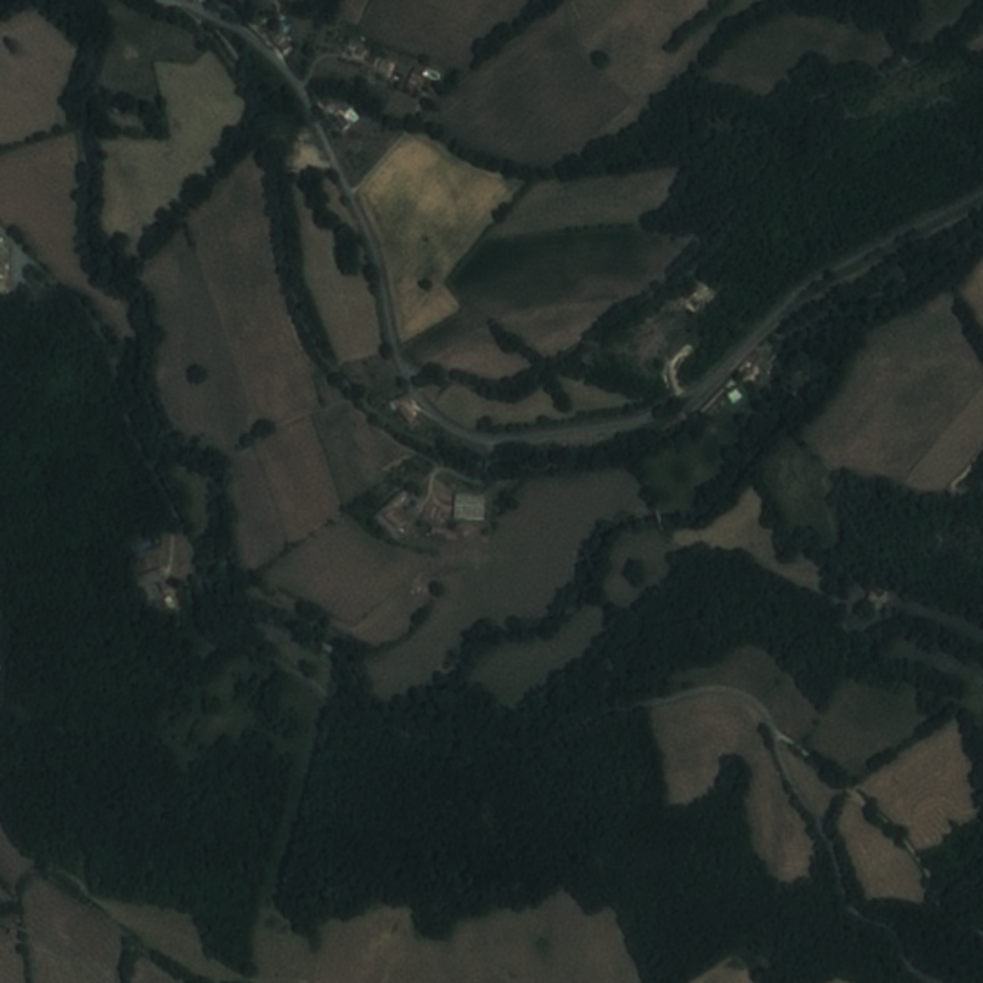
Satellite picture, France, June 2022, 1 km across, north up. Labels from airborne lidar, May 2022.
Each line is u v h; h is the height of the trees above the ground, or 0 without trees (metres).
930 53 12
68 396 12
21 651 24
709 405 0
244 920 15
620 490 0
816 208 16
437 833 26
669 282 12
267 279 0
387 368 0
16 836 14
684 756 0
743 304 12
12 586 18
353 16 0
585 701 18
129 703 21
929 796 0
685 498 0
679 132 14
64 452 15
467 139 0
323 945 0
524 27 9
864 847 0
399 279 0
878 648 22
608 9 0
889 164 14
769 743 12
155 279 0
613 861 14
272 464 0
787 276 14
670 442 20
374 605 0
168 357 0
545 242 0
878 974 15
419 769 25
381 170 0
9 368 17
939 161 15
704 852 13
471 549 0
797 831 0
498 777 24
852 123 9
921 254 25
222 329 0
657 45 0
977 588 18
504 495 17
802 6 19
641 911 13
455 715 21
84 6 19
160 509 10
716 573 22
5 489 16
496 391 10
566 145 0
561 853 25
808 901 13
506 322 0
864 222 20
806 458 0
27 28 0
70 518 23
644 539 0
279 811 18
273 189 14
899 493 12
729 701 0
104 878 13
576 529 0
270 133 14
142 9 15
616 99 0
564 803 20
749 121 14
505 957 0
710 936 16
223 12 11
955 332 0
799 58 0
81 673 18
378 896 18
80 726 23
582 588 19
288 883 20
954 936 20
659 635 24
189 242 9
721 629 19
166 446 15
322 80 9
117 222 0
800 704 0
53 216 0
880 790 0
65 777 22
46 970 0
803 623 21
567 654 0
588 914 9
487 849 25
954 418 0
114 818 25
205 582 13
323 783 16
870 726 0
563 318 0
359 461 0
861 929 18
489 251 0
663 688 13
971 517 10
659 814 21
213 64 0
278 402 0
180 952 0
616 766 16
